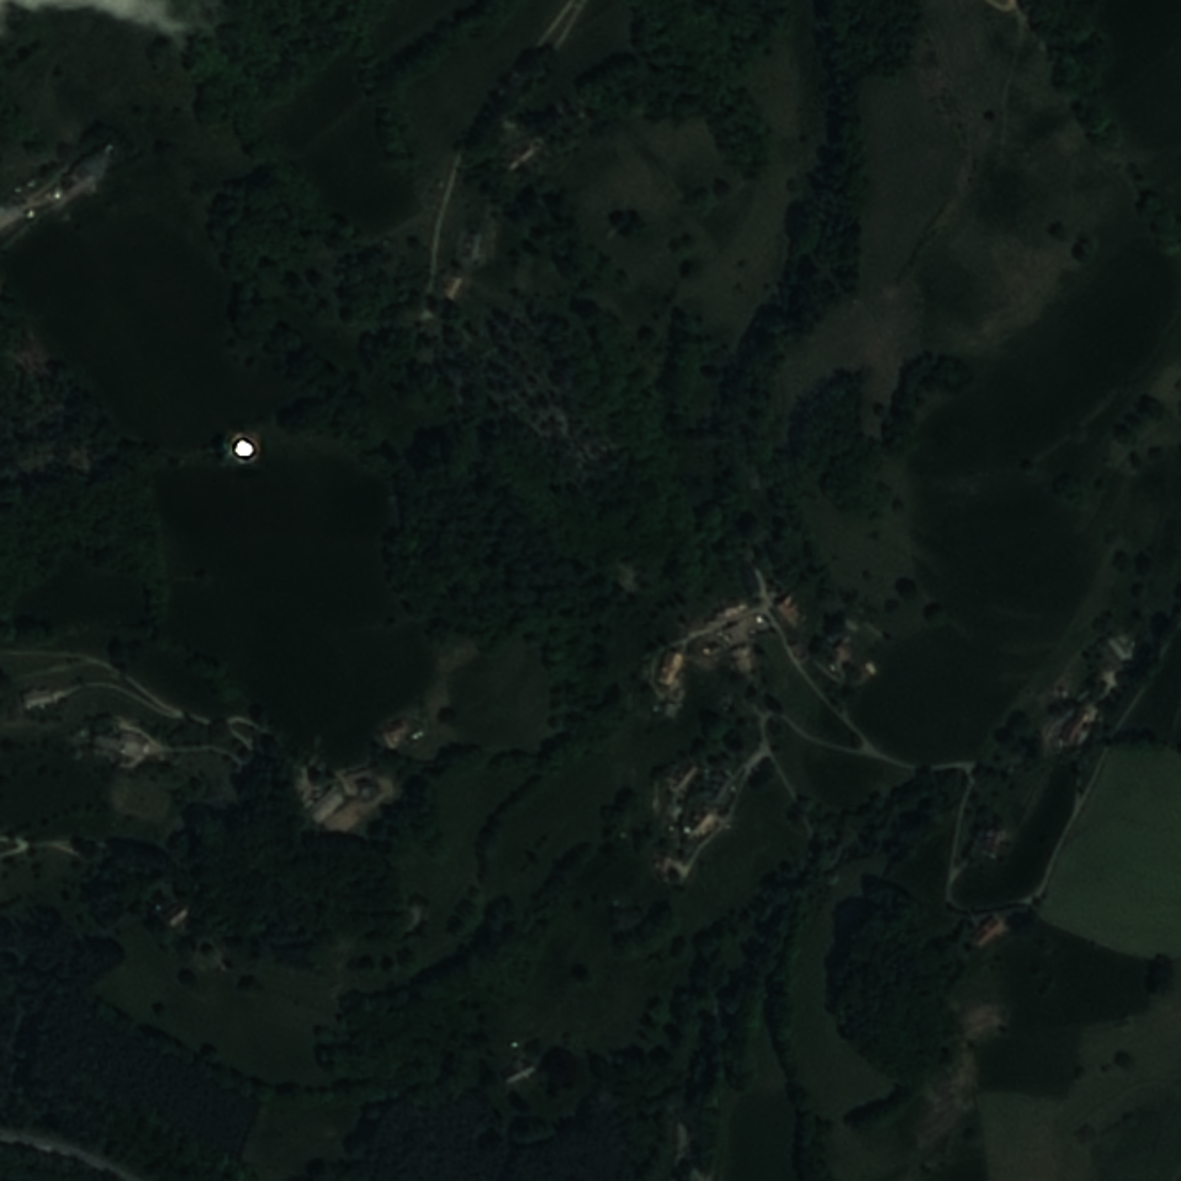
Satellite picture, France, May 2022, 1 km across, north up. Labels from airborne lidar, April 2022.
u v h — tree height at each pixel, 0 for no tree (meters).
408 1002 24
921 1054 27
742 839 0
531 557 26
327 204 0
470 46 0
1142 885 0
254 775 15
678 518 24
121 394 0
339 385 19
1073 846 0
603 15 0
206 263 0
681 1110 33
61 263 0
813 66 0
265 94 21
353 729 0
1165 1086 0
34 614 0
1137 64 0
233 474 0
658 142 0
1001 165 0
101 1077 29
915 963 25
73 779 0
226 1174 23
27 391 21
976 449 0
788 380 0
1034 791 0
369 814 0
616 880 0
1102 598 0
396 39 0
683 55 29
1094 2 18
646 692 8
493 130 16
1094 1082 0
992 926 0
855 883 0
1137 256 0
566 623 19
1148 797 0
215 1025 0
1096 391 0
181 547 0
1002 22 0
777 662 0
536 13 0
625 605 20
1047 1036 0
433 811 20
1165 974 16
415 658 0
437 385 20
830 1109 0
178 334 0
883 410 11
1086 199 0
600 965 0
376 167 0
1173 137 0
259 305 28
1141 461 14
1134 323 0
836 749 0
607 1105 17
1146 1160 0
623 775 0
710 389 0
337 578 0
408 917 10
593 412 8
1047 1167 0
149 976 0
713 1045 23
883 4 21
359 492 0
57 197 0
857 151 18
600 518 24
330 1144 0
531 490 32
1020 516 0
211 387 0
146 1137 23
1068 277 0
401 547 14
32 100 0
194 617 0
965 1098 0
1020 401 0
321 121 0
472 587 14
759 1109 0
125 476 15
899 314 0
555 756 22
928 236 0
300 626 0
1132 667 7
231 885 20
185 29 13
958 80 0
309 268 0
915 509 0
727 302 0
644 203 0
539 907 8
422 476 19
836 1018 19
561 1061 16
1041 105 0
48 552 22
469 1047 18
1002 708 0
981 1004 0
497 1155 32
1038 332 0
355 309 22
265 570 0
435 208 0
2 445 25
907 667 0
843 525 0
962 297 0
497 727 0
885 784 0
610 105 23
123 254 0
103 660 0
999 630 0
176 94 0
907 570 0
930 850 0
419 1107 23
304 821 14
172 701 0
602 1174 29
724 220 0
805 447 24
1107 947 0
